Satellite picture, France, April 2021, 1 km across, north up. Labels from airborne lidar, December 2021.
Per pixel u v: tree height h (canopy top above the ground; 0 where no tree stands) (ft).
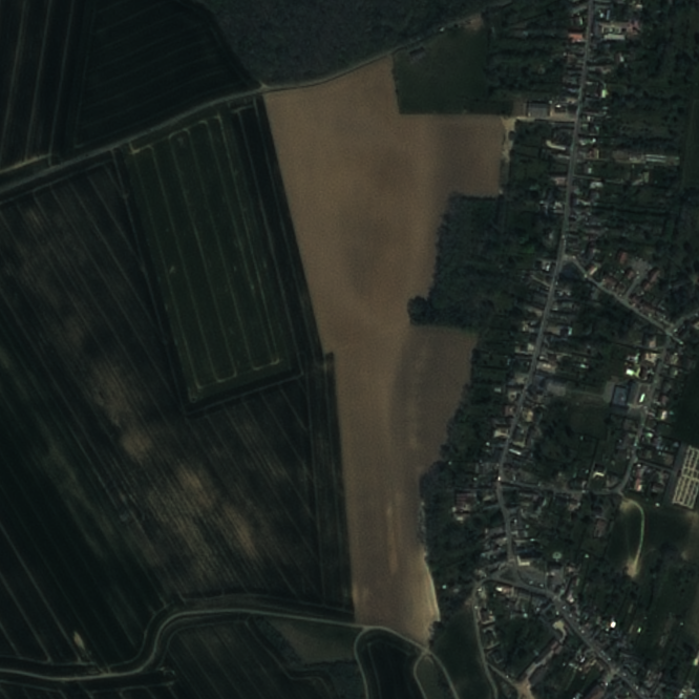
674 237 35
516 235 78
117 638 0
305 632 0
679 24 35
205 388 0
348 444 0
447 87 0
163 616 0
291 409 0
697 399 0
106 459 0
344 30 86
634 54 26
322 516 0
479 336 32
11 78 0
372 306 0
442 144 0
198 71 0
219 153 0
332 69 80
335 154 0
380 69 0
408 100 0
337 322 0
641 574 0
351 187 0
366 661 0
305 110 0
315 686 0
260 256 0
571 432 51
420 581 0
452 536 70
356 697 50
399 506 0
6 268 0
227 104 0
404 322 0
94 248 0
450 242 76
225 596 0
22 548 0
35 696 0
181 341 0
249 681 0
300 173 0
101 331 0
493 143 0
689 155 0
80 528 0
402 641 0
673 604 0
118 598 0
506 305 0
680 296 59
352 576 0
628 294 0
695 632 0
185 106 0
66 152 0
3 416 0
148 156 0
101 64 0
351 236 0
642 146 28
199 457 0
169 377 0
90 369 0
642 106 18
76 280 0
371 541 0
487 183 0
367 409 0
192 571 0
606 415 0
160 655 0
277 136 0
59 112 0
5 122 0
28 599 0
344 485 0
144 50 0
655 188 24
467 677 0
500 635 43
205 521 0
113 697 0
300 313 0
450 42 0
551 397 34
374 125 0
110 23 0
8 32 0
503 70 50
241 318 0
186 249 0
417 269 0
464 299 62
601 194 0
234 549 0
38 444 0
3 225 0
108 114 0
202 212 0
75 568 0
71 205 0
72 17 0
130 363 0
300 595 0
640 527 0
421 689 0
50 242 0
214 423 0
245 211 0
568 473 35
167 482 0
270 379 0
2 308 0
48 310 0
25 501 0
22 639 0
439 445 0
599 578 61
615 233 0
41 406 0
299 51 91
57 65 0
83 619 0
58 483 0
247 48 65
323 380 0
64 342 0
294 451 0
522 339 0
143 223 0
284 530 0
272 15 51
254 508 0
